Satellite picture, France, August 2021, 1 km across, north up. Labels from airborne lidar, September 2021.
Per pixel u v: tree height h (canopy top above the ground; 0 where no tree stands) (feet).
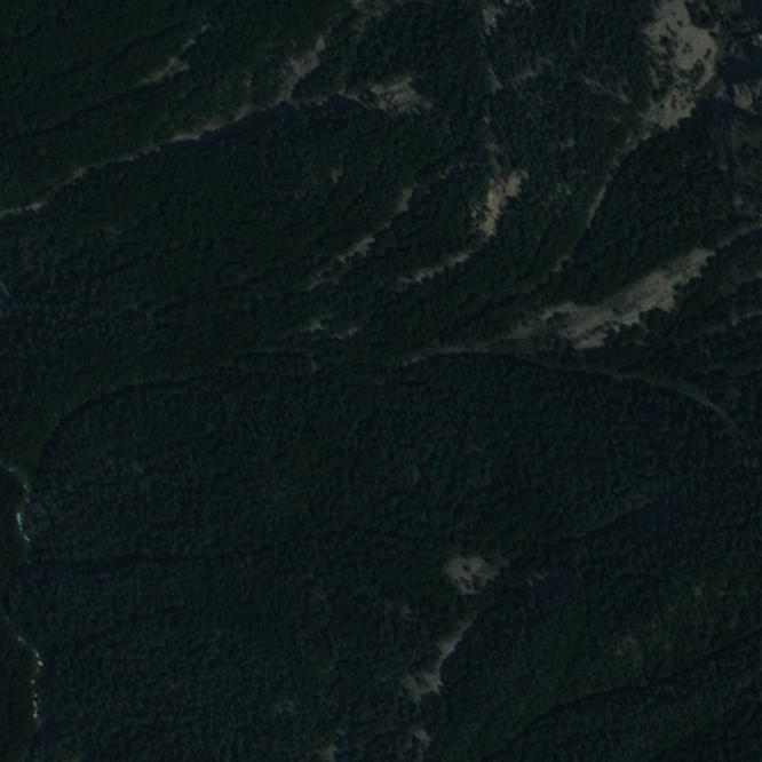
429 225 54
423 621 58
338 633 71
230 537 66
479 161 52
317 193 46
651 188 54
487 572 0
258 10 62
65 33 83
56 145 66
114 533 54
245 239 88
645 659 39
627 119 29
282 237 68
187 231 62
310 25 33
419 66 60
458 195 36
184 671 42
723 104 0
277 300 55
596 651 47
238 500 101
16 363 100
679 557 73
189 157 56
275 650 70
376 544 41
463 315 45
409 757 46
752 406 46
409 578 72
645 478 66
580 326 0
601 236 69
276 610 61
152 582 62
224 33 43
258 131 59
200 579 66
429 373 55
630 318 0
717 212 60
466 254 58
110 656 30
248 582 73
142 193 69
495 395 68
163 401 71
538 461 70
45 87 78
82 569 53
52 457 93
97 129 77
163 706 68
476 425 78
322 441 73
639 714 73
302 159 38
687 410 36
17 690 70
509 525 80
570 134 69
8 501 91
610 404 46
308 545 91
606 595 58
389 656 63
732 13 0
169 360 80
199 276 67
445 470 73
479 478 75
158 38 72
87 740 39
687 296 31
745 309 35
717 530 71
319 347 60
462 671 88
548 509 80
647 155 62
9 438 71
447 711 24
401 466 61
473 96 45
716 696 50
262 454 78
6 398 75
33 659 111
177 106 33
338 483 38
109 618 65
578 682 69
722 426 68
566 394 80
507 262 63
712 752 91
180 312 74
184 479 77
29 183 60
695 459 87
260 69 32
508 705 53
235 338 73
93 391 69
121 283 87
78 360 71
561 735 78
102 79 61
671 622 63
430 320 82
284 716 41
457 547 32
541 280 78
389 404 39
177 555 31
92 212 72
